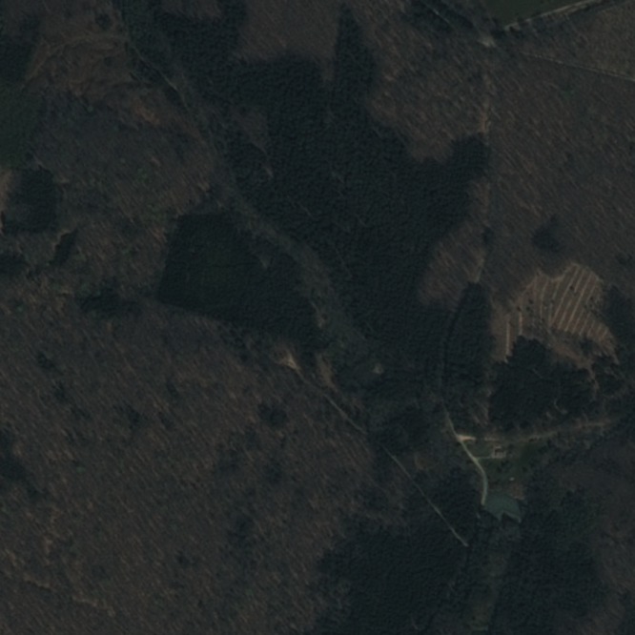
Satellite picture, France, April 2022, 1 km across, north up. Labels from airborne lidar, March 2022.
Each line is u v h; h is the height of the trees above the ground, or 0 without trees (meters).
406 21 25
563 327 0
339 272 29
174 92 19
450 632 28
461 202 21
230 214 8
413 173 21
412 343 22
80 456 28
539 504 20
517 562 23
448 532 19
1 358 29
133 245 29
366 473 30
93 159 31
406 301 20
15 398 27
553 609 20
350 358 21
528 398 21
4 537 27
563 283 0
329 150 26
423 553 27
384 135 29
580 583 19
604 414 25
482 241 28
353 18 30
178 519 28
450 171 21
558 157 28
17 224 18
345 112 30
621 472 13
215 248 12
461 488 27
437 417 26
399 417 17
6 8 15
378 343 20
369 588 24
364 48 29
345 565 25
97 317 31
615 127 19
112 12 24
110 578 25
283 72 27
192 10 22
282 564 26
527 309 0
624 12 0
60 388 28
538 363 20
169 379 32
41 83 9
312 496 28
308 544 29
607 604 17
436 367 26
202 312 7
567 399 16
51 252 28
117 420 28
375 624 23
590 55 26
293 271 31
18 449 23
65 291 31
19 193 22
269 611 25
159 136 28
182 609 23
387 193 24
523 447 0
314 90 29
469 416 18
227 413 26
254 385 27
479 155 23
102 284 31
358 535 24
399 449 28
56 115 10
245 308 18
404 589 23
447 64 31
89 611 22
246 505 33
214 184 21
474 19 33
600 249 24
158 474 28
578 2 0
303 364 27
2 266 23
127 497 29
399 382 21
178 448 31
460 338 22
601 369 17
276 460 32
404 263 20
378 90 26
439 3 20
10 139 13
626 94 20
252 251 19
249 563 27
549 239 26
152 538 28
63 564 26
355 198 24
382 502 17
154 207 31
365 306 20
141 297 23
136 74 24
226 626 29
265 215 28
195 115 15
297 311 19
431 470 0
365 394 24
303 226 29
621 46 0
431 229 26
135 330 29
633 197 27
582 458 14
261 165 29
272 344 22
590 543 17
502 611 26
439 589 25
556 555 17
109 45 0
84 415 29
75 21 27
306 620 29
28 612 25
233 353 25
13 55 15
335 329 14
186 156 26
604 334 0
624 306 21
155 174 35
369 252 17
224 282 8
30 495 20
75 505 21
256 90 28
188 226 10
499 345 23
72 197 31
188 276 10
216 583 23
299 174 23
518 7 0
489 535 23
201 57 22
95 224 30
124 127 31
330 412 27
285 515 24
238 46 24
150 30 25
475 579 28
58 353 29
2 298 26
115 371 31
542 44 33
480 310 22
